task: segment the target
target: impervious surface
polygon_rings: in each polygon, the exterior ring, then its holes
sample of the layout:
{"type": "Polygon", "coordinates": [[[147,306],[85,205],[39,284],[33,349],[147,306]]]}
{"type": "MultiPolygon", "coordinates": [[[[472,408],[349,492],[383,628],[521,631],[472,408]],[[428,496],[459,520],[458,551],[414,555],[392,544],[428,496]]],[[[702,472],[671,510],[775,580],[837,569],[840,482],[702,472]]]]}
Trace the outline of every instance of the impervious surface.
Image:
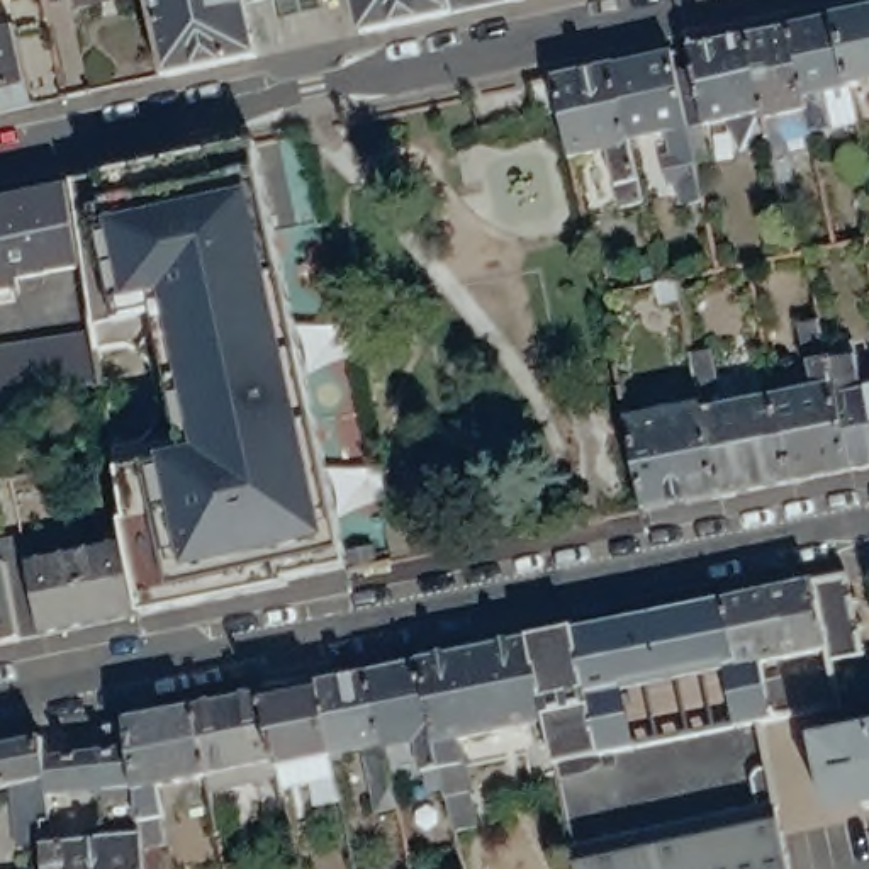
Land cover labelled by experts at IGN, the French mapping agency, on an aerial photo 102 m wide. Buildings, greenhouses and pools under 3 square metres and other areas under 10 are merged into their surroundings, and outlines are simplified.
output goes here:
{"type": "Polygon", "coordinates": [[[652,190],[659,197],[672,197],[676,187],[665,180],[659,163],[662,132],[638,136],[652,190]]]}
{"type": "Polygon", "coordinates": [[[462,197],[458,190],[448,190],[445,221],[451,234],[445,261],[414,234],[401,234],[397,244],[404,251],[414,258],[418,268],[431,275],[431,282],[455,306],[458,316],[496,346],[499,363],[506,367],[516,394],[526,397],[543,431],[547,448],[560,458],[557,475],[567,479],[574,479],[574,492],[584,492],[584,502],[597,502],[604,492],[618,496],[621,489],[611,458],[611,431],[611,414],[557,414],[543,390],[523,353],[506,339],[506,333],[492,322],[492,316],[475,302],[475,295],[462,282],[482,275],[485,261],[502,261],[506,248],[516,238],[560,234],[567,224],[567,197],[557,156],[547,143],[533,139],[506,149],[462,149],[462,180],[479,183],[482,193],[462,197]]]}
{"type": "Polygon", "coordinates": [[[567,149],[567,160],[584,166],[584,193],[591,210],[611,204],[614,190],[604,153],[567,149]]]}
{"type": "Polygon", "coordinates": [[[146,367],[143,346],[109,353],[105,380],[122,384],[129,390],[129,401],[102,428],[102,462],[109,465],[146,458],[153,448],[166,445],[170,418],[160,390],[160,363],[146,367]]]}
{"type": "Polygon", "coordinates": [[[44,808],[51,815],[44,825],[31,825],[27,832],[24,849],[31,859],[41,862],[44,838],[119,832],[136,825],[126,815],[102,815],[88,788],[71,788],[44,794],[44,808]]]}
{"type": "Polygon", "coordinates": [[[27,282],[20,295],[14,295],[7,285],[0,289],[0,343],[81,333],[85,295],[78,272],[27,282]]]}
{"type": "Polygon", "coordinates": [[[0,193],[34,183],[54,183],[115,160],[132,160],[207,139],[248,136],[248,143],[258,143],[272,207],[282,227],[285,261],[295,285],[292,312],[295,322],[306,322],[299,329],[299,339],[306,343],[306,367],[312,370],[312,387],[319,397],[329,465],[322,479],[336,485],[333,509],[343,516],[346,536],[346,560],[336,574],[302,577],[289,587],[265,594],[160,611],[136,621],[115,621],[81,628],[75,635],[51,635],[41,642],[0,648],[0,740],[44,737],[48,750],[61,754],[71,754],[78,747],[119,747],[122,713],[129,709],[190,703],[200,696],[234,689],[299,692],[309,686],[312,676],[322,672],[343,672],[441,645],[513,635],[550,621],[597,618],[628,608],[648,608],[696,594],[723,594],[737,587],[771,584],[781,577],[815,577],[832,570],[855,574],[852,584],[845,584],[845,608],[855,625],[852,648],[859,659],[835,665],[835,672],[828,676],[828,699],[808,720],[815,726],[828,726],[869,716],[869,472],[805,482],[791,489],[767,489],[726,502],[676,506],[652,516],[642,516],[638,506],[621,509],[614,516],[601,516],[591,516],[591,530],[570,540],[502,547],[489,560],[472,563],[465,574],[445,574],[421,557],[421,547],[407,543],[407,536],[397,526],[384,523],[387,509],[377,502],[377,496],[384,492],[384,482],[380,472],[367,468],[370,462],[360,451],[360,435],[343,363],[346,356],[346,346],[336,339],[336,329],[326,326],[333,312],[312,292],[312,268],[309,255],[302,251],[302,241],[312,241],[319,227],[309,204],[309,187],[299,170],[299,156],[285,132],[309,122],[322,163],[336,166],[343,180],[360,177],[360,163],[346,139],[350,112],[356,105],[373,105],[384,119],[397,119],[411,109],[428,109],[428,98],[438,98],[441,105],[455,102],[462,92],[472,92],[475,109],[482,115],[492,109],[516,105],[523,98],[540,102],[547,95],[547,85],[540,78],[563,64],[587,64],[594,58],[621,58],[665,48],[676,51],[679,68],[686,68],[686,37],[730,34],[757,24],[784,24],[791,17],[815,14],[849,0],[533,0],[506,7],[496,17],[482,20],[448,17],[441,24],[401,27],[390,34],[363,37],[350,0],[319,0],[316,10],[278,17],[275,0],[244,0],[244,34],[258,61],[173,81],[163,81],[156,75],[119,81],[92,88],[88,78],[81,78],[81,54],[75,41],[75,0],[0,0],[0,24],[10,27],[27,27],[31,17],[41,17],[54,31],[54,44],[48,51],[41,37],[24,37],[14,44],[20,61],[17,85],[27,92],[31,109],[7,112],[0,119],[0,193]]]}
{"type": "Polygon", "coordinates": [[[750,771],[760,764],[757,730],[621,757],[601,757],[601,764],[594,767],[563,771],[550,754],[550,743],[536,740],[533,726],[523,720],[462,733],[458,747],[468,760],[499,764],[502,774],[536,767],[547,777],[557,784],[560,815],[560,821],[574,818],[567,845],[570,859],[771,818],[767,791],[750,791],[750,771]]]}
{"type": "Polygon", "coordinates": [[[869,869],[869,815],[849,818],[845,825],[791,835],[788,845],[794,869],[869,869]]]}
{"type": "Polygon", "coordinates": [[[251,821],[258,801],[282,801],[289,811],[306,815],[306,808],[312,805],[336,801],[336,777],[329,774],[326,781],[292,788],[282,788],[278,777],[272,777],[241,784],[234,794],[238,815],[244,821],[251,821]]]}
{"type": "Polygon", "coordinates": [[[777,183],[788,183],[794,173],[808,170],[808,153],[808,136],[805,109],[791,105],[777,112],[781,143],[771,146],[777,183]]]}

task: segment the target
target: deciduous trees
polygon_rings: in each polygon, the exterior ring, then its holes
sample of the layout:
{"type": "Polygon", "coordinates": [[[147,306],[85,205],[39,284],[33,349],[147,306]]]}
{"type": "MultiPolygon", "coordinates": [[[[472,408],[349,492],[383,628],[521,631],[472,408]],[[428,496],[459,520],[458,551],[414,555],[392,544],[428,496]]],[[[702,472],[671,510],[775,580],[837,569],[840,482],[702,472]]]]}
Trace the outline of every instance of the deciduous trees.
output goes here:
{"type": "Polygon", "coordinates": [[[784,248],[798,238],[798,248],[818,248],[828,241],[821,200],[818,193],[801,187],[791,204],[777,204],[760,214],[764,244],[784,248]]]}
{"type": "Polygon", "coordinates": [[[336,339],[346,346],[346,356],[367,370],[387,363],[394,346],[411,346],[414,336],[421,336],[421,343],[435,343],[445,350],[448,326],[458,316],[455,306],[431,282],[431,275],[418,268],[414,258],[404,251],[401,258],[370,251],[363,268],[329,275],[312,268],[312,292],[333,312],[326,326],[336,329],[336,339]]]}
{"type": "Polygon", "coordinates": [[[628,251],[608,258],[608,234],[594,224],[584,231],[577,248],[591,261],[584,292],[587,322],[577,326],[577,343],[567,350],[567,356],[553,360],[553,377],[543,390],[557,414],[611,414],[608,380],[614,380],[614,363],[608,353],[608,339],[618,333],[618,326],[642,322],[638,302],[652,295],[655,282],[676,282],[679,289],[699,285],[706,275],[706,255],[703,241],[692,238],[672,241],[662,231],[652,234],[645,244],[631,241],[628,251]]]}
{"type": "Polygon", "coordinates": [[[445,221],[421,217],[414,234],[445,261],[451,234],[445,221]]]}
{"type": "Polygon", "coordinates": [[[811,306],[815,316],[838,319],[838,302],[825,265],[815,268],[815,278],[808,285],[805,306],[811,306]]]}
{"type": "Polygon", "coordinates": [[[380,472],[390,465],[390,431],[380,431],[380,424],[360,435],[360,451],[370,462],[367,468],[380,472]]]}
{"type": "Polygon", "coordinates": [[[244,849],[238,862],[227,862],[227,869],[435,869],[438,859],[431,852],[407,852],[401,859],[387,845],[387,835],[380,828],[353,832],[346,818],[363,808],[363,781],[350,784],[350,774],[336,777],[336,801],[312,805],[306,808],[306,815],[289,811],[289,821],[278,832],[258,838],[255,849],[244,849]]]}
{"type": "Polygon", "coordinates": [[[835,136],[808,136],[808,153],[815,160],[832,160],[838,166],[838,183],[849,183],[855,193],[869,193],[869,119],[859,119],[835,136]]]}
{"type": "Polygon", "coordinates": [[[757,336],[747,339],[747,367],[777,367],[781,346],[757,336]]]}
{"type": "Polygon", "coordinates": [[[31,485],[41,492],[48,506],[44,519],[75,523],[102,506],[102,462],[102,428],[129,401],[129,390],[122,384],[105,380],[88,380],[78,387],[61,384],[54,397],[27,397],[20,407],[7,407],[0,414],[0,479],[31,475],[31,485]]]}
{"type": "Polygon", "coordinates": [[[407,543],[421,547],[421,557],[445,574],[465,574],[472,563],[489,560],[502,547],[570,540],[591,530],[591,516],[601,516],[597,502],[584,502],[584,492],[574,492],[574,479],[567,479],[560,485],[547,485],[516,516],[499,516],[496,499],[468,472],[468,465],[421,468],[421,485],[414,496],[407,489],[394,489],[390,482],[384,482],[384,492],[377,496],[377,502],[387,509],[384,523],[397,526],[407,536],[407,543]]]}
{"type": "Polygon", "coordinates": [[[482,815],[479,838],[485,845],[502,845],[516,828],[519,815],[560,815],[557,784],[547,777],[543,784],[526,784],[513,791],[502,788],[496,794],[485,794],[482,815]]]}
{"type": "Polygon", "coordinates": [[[370,187],[377,190],[380,204],[394,193],[418,190],[418,177],[428,166],[407,156],[394,173],[373,177],[370,187]]]}
{"type": "Polygon", "coordinates": [[[221,838],[227,838],[244,821],[238,815],[234,794],[217,794],[214,811],[204,811],[200,818],[204,835],[217,828],[221,838]]]}
{"type": "Polygon", "coordinates": [[[397,794],[397,801],[401,801],[404,808],[414,808],[414,811],[418,811],[418,808],[418,805],[414,805],[414,791],[418,791],[418,784],[421,784],[421,777],[411,777],[407,771],[397,771],[397,774],[394,774],[394,794],[397,794]]]}
{"type": "Polygon", "coordinates": [[[451,129],[451,146],[462,149],[506,149],[533,139],[547,143],[553,139],[550,109],[547,95],[540,102],[523,98],[516,105],[492,109],[482,115],[465,119],[451,129]]]}
{"type": "Polygon", "coordinates": [[[754,187],[777,183],[771,146],[757,136],[750,149],[754,187]]]}
{"type": "Polygon", "coordinates": [[[733,360],[733,339],[726,333],[709,333],[706,350],[709,363],[720,367],[740,367],[733,360]]]}
{"type": "Polygon", "coordinates": [[[390,431],[414,445],[435,435],[445,411],[458,411],[479,394],[516,394],[506,367],[499,363],[492,370],[482,356],[448,353],[438,356],[438,367],[421,363],[411,377],[424,387],[428,404],[418,414],[397,411],[397,424],[390,431]]]}

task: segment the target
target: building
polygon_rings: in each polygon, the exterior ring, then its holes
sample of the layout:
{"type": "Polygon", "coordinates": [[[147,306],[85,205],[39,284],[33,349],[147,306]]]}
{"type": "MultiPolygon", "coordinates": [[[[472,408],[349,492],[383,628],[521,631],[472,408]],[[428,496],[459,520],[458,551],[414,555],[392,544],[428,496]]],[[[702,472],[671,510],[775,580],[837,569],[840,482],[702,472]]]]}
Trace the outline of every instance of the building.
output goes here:
{"type": "Polygon", "coordinates": [[[401,27],[441,24],[448,17],[482,20],[496,17],[506,7],[533,0],[350,0],[363,37],[390,34],[401,27]]]}
{"type": "Polygon", "coordinates": [[[27,92],[17,85],[20,61],[14,44],[10,27],[0,24],[0,119],[7,112],[31,109],[27,92]]]}
{"type": "Polygon", "coordinates": [[[316,10],[319,0],[275,0],[278,17],[316,10]]]}
{"type": "Polygon", "coordinates": [[[156,75],[163,81],[173,81],[258,61],[244,34],[244,0],[129,0],[143,3],[143,20],[149,27],[149,58],[156,58],[156,75]]]}
{"type": "Polygon", "coordinates": [[[282,227],[272,207],[258,143],[248,143],[248,136],[207,139],[132,160],[115,160],[54,183],[34,183],[0,193],[0,289],[7,285],[14,295],[20,295],[27,282],[78,272],[85,295],[81,333],[0,343],[0,414],[7,407],[20,407],[27,397],[54,397],[61,384],[78,387],[88,380],[105,380],[109,353],[143,346],[146,367],[160,363],[160,390],[170,418],[166,445],[153,448],[146,458],[109,465],[115,502],[115,533],[109,540],[85,543],[75,550],[17,557],[14,540],[0,533],[0,648],[41,642],[51,635],[75,635],[81,628],[115,621],[136,621],[160,611],[265,594],[289,587],[302,577],[336,574],[346,560],[346,536],[343,516],[333,509],[336,485],[322,479],[329,465],[319,397],[312,387],[312,370],[306,367],[306,343],[299,339],[299,329],[306,322],[295,322],[292,312],[295,285],[285,261],[282,227]]]}
{"type": "Polygon", "coordinates": [[[692,353],[692,360],[682,363],[689,377],[709,384],[720,367],[709,363],[706,350],[692,353]]]}
{"type": "Polygon", "coordinates": [[[611,204],[625,210],[642,207],[652,190],[638,136],[662,132],[659,163],[665,180],[676,187],[672,197],[676,204],[703,207],[703,200],[696,197],[699,163],[713,156],[733,160],[737,153],[750,149],[757,136],[771,146],[781,143],[777,112],[791,105],[805,109],[808,136],[835,136],[859,119],[869,119],[869,0],[849,0],[815,14],[791,17],[784,24],[757,24],[730,34],[686,37],[686,68],[679,68],[676,51],[665,48],[621,58],[594,58],[587,64],[563,64],[540,78],[547,85],[547,95],[550,109],[557,109],[567,149],[604,153],[614,190],[611,204]]]}
{"type": "Polygon", "coordinates": [[[44,737],[0,740],[0,869],[149,869],[149,852],[163,849],[160,821],[166,821],[177,791],[187,784],[207,784],[217,794],[234,794],[241,784],[272,777],[278,777],[282,788],[292,788],[326,781],[329,774],[336,777],[350,774],[350,784],[363,781],[363,808],[373,811],[373,805],[380,805],[390,811],[390,805],[397,801],[397,794],[394,794],[394,774],[397,774],[397,771],[407,771],[411,777],[421,777],[421,784],[418,784],[418,791],[414,791],[414,805],[418,805],[418,808],[438,808],[438,815],[465,825],[475,811],[468,760],[458,747],[462,733],[523,720],[533,726],[536,740],[550,743],[550,754],[563,771],[594,767],[601,764],[601,757],[621,757],[757,730],[760,764],[750,771],[750,791],[767,791],[771,818],[570,859],[570,869],[794,869],[788,845],[791,835],[845,825],[849,818],[869,815],[869,716],[828,726],[815,726],[808,720],[828,699],[828,676],[835,672],[835,665],[859,659],[852,648],[855,625],[845,608],[845,584],[852,584],[855,574],[832,570],[815,577],[781,577],[771,584],[737,587],[723,594],[696,594],[648,608],[628,608],[597,618],[550,621],[513,635],[441,645],[343,672],[322,672],[312,676],[309,686],[299,692],[234,689],[200,696],[190,703],[129,709],[122,713],[119,747],[78,747],[71,754],[61,754],[48,750],[44,737]],[[44,838],[41,862],[31,859],[24,849],[27,832],[31,825],[44,825],[51,815],[44,808],[44,794],[71,788],[88,788],[102,815],[126,815],[136,825],[119,832],[44,838]]]}
{"type": "Polygon", "coordinates": [[[849,343],[849,329],[838,319],[815,316],[791,319],[794,346],[781,346],[777,367],[788,367],[791,360],[801,363],[801,384],[628,411],[628,435],[625,448],[631,455],[638,506],[642,516],[652,516],[676,506],[726,502],[767,489],[791,489],[805,482],[869,472],[869,380],[859,373],[859,350],[866,343],[849,343]]]}

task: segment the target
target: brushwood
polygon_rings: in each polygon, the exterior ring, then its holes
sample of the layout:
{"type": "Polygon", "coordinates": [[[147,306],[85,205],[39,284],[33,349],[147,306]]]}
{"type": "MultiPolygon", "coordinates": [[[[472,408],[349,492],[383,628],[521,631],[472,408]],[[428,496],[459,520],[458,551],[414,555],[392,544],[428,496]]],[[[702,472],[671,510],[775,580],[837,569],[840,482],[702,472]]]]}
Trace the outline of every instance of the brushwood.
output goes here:
{"type": "Polygon", "coordinates": [[[468,845],[479,838],[482,815],[475,811],[465,825],[448,838],[455,845],[458,862],[468,859],[468,845]]]}
{"type": "Polygon", "coordinates": [[[309,187],[309,204],[319,227],[343,224],[339,210],[329,204],[326,193],[322,163],[309,122],[285,132],[299,156],[299,170],[309,187]]]}
{"type": "Polygon", "coordinates": [[[567,149],[557,109],[550,109],[553,139],[547,143],[557,156],[567,197],[567,224],[560,234],[567,248],[577,248],[584,231],[594,224],[591,210],[584,193],[584,166],[567,160],[567,149]]]}
{"type": "Polygon", "coordinates": [[[784,248],[764,244],[764,261],[757,265],[743,265],[737,255],[720,261],[716,234],[726,234],[723,197],[706,193],[703,200],[703,207],[692,238],[703,241],[706,255],[706,275],[699,285],[703,292],[730,289],[730,302],[737,302],[747,316],[771,329],[777,326],[777,312],[767,289],[767,275],[798,272],[808,285],[815,278],[815,268],[825,265],[838,302],[855,299],[859,312],[869,312],[869,238],[862,234],[859,241],[828,241],[818,248],[798,248],[798,238],[784,248]]]}
{"type": "Polygon", "coordinates": [[[652,234],[662,231],[655,217],[659,197],[652,190],[642,207],[625,210],[625,221],[638,224],[628,231],[631,241],[645,244],[652,234]]]}
{"type": "Polygon", "coordinates": [[[54,44],[54,31],[41,17],[31,17],[27,27],[10,27],[14,44],[24,37],[41,37],[48,51],[54,44]]]}
{"type": "Polygon", "coordinates": [[[614,516],[621,509],[638,506],[631,455],[625,448],[628,435],[611,431],[611,458],[621,489],[618,496],[604,492],[597,502],[601,516],[614,516]]]}
{"type": "Polygon", "coordinates": [[[343,363],[360,435],[380,424],[370,401],[367,370],[346,356],[343,363]]]}
{"type": "Polygon", "coordinates": [[[105,54],[81,54],[81,78],[88,78],[92,88],[119,81],[105,54]]]}

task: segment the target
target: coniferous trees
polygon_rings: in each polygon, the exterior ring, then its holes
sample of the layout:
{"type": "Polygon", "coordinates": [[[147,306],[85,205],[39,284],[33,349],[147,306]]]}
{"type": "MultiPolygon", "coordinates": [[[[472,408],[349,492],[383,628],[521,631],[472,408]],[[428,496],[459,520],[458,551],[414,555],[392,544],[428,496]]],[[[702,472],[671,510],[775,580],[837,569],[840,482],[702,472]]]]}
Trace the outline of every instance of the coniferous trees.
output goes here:
{"type": "Polygon", "coordinates": [[[468,465],[468,472],[496,499],[499,516],[516,516],[547,485],[560,485],[567,479],[557,475],[560,458],[547,448],[543,431],[526,438],[519,448],[513,445],[509,465],[489,462],[485,455],[479,455],[479,462],[468,465]]]}

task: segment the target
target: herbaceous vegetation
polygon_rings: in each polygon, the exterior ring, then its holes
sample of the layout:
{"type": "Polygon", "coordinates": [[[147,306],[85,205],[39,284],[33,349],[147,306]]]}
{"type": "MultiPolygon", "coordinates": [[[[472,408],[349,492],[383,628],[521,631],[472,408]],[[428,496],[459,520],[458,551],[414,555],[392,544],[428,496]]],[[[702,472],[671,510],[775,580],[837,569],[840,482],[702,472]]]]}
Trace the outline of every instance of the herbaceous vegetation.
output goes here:
{"type": "Polygon", "coordinates": [[[692,238],[703,207],[676,204],[672,197],[659,197],[655,217],[662,231],[672,241],[692,238]]]}
{"type": "Polygon", "coordinates": [[[156,75],[156,58],[149,58],[149,27],[143,20],[143,3],[129,0],[75,0],[75,41],[81,54],[105,54],[119,81],[156,75]]]}
{"type": "Polygon", "coordinates": [[[577,343],[577,326],[587,322],[584,292],[591,261],[577,248],[567,248],[560,234],[516,238],[506,248],[502,261],[485,261],[482,275],[462,282],[475,295],[475,302],[492,316],[492,322],[506,333],[506,339],[523,353],[543,390],[553,377],[553,360],[567,356],[567,350],[577,343]]]}
{"type": "Polygon", "coordinates": [[[384,482],[390,482],[394,489],[407,489],[414,496],[421,485],[421,468],[468,465],[479,462],[479,455],[485,455],[489,462],[509,465],[513,445],[519,448],[526,438],[543,431],[526,397],[516,394],[479,394],[458,411],[445,411],[435,435],[414,445],[390,431],[390,465],[380,472],[384,482]]]}
{"type": "Polygon", "coordinates": [[[31,475],[0,479],[0,533],[14,540],[17,557],[75,550],[85,543],[109,540],[115,533],[115,502],[109,465],[102,462],[102,506],[75,523],[44,519],[48,506],[41,492],[31,485],[31,475]]]}
{"type": "Polygon", "coordinates": [[[163,849],[149,852],[149,869],[227,869],[227,862],[238,862],[244,849],[255,849],[258,838],[278,832],[289,821],[289,811],[282,801],[258,801],[251,821],[244,821],[227,838],[221,838],[217,828],[204,835],[200,818],[204,811],[214,811],[217,794],[207,784],[187,784],[177,791],[166,821],[160,821],[163,849]]]}
{"type": "Polygon", "coordinates": [[[625,210],[611,204],[591,210],[594,224],[608,234],[608,258],[628,251],[631,241],[628,231],[638,224],[625,221],[625,210]]]}
{"type": "Polygon", "coordinates": [[[496,346],[458,316],[448,326],[445,350],[435,343],[421,343],[421,336],[414,336],[411,346],[394,346],[387,363],[367,370],[370,401],[380,424],[380,431],[390,431],[397,424],[397,411],[418,414],[428,404],[424,387],[411,377],[421,363],[438,367],[438,356],[448,353],[482,356],[492,370],[499,363],[496,346]]]}
{"type": "Polygon", "coordinates": [[[791,204],[801,187],[818,193],[821,200],[828,241],[859,241],[862,234],[869,238],[869,193],[855,193],[849,183],[838,183],[838,166],[832,160],[815,160],[808,153],[808,170],[794,173],[788,183],[777,183],[754,187],[750,149],[737,153],[733,160],[713,156],[699,163],[696,197],[703,200],[706,193],[723,197],[726,234],[716,234],[720,261],[737,255],[743,265],[757,265],[764,261],[764,244],[760,214],[777,204],[791,204]]]}
{"type": "Polygon", "coordinates": [[[567,845],[574,818],[560,821],[560,815],[519,815],[516,828],[502,845],[485,845],[479,838],[468,845],[468,859],[458,862],[455,845],[448,838],[465,825],[438,815],[438,808],[418,808],[418,811],[414,811],[414,808],[404,808],[401,801],[397,801],[390,805],[390,811],[380,805],[373,805],[373,811],[363,808],[346,818],[353,832],[380,828],[387,835],[387,845],[401,859],[407,852],[431,852],[438,859],[435,869],[570,869],[570,859],[567,845]]]}
{"type": "Polygon", "coordinates": [[[482,115],[475,109],[472,92],[462,92],[455,102],[441,105],[438,98],[428,98],[428,109],[411,109],[397,119],[384,119],[373,105],[356,105],[350,112],[346,139],[360,163],[360,177],[343,180],[336,166],[322,163],[326,193],[329,204],[339,210],[343,224],[319,227],[312,241],[302,241],[302,251],[309,255],[312,268],[329,275],[363,268],[370,251],[401,258],[404,251],[397,244],[401,234],[414,234],[421,217],[445,221],[448,190],[458,190],[462,197],[482,193],[479,183],[462,180],[462,149],[451,146],[451,129],[465,119],[482,115]],[[394,173],[407,156],[428,166],[418,177],[418,190],[394,193],[380,204],[377,190],[370,187],[373,177],[394,173]]]}
{"type": "Polygon", "coordinates": [[[475,811],[482,815],[485,794],[496,794],[502,788],[513,791],[526,784],[543,784],[547,777],[536,767],[502,774],[499,764],[468,760],[475,811]]]}
{"type": "Polygon", "coordinates": [[[838,302],[838,319],[849,329],[849,343],[866,343],[859,350],[859,373],[869,380],[869,312],[859,312],[855,299],[838,302]]]}
{"type": "Polygon", "coordinates": [[[655,282],[652,295],[638,302],[642,322],[618,326],[618,333],[608,339],[608,353],[614,363],[614,380],[608,380],[611,414],[611,431],[628,435],[628,411],[801,384],[801,363],[791,360],[788,367],[777,367],[747,367],[747,339],[757,336],[781,346],[794,346],[791,319],[815,316],[811,306],[805,306],[808,285],[798,272],[767,275],[767,289],[777,312],[777,326],[771,329],[747,316],[737,302],[730,302],[730,289],[703,292],[699,285],[679,289],[676,282],[655,282]],[[692,360],[692,353],[706,350],[709,333],[726,333],[733,339],[733,360],[740,367],[720,367],[709,384],[689,377],[682,363],[692,360]]]}

